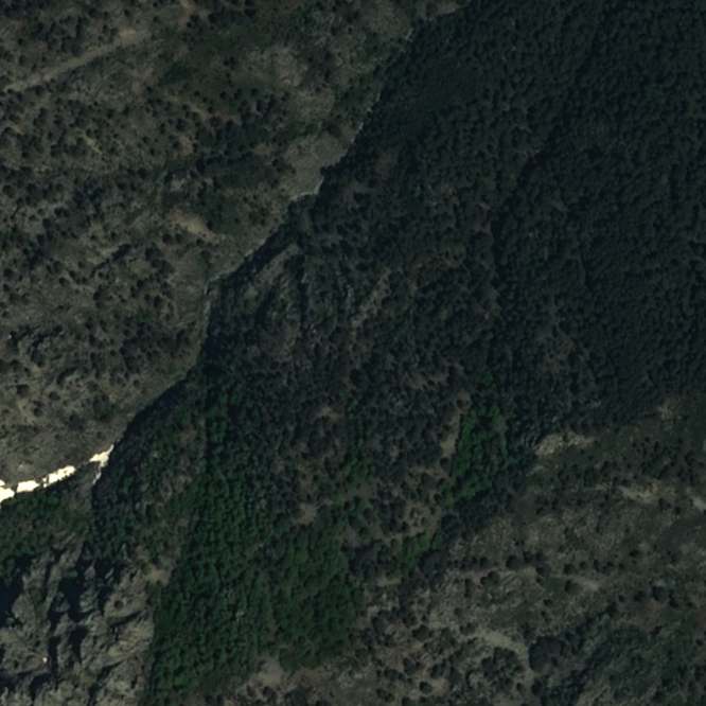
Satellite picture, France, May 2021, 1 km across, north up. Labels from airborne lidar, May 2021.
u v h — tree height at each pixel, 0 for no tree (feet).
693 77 91
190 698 40
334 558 71
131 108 63
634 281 78
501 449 56
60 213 58
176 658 82
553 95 86
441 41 60
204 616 31
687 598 24
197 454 23
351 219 78
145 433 19
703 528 0
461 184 86
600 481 61
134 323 108
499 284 113
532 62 93
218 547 75
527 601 24
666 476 75
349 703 0
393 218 22
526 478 35
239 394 63
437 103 21
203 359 32
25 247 57
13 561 34
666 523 0
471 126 82
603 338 115
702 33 116
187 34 29
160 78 22
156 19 52
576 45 97
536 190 108
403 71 66
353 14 18
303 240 85
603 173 103
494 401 73
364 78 48
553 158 125
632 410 70
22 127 0
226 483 78
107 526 31
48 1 71
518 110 94
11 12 88
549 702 62
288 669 41
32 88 25
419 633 77
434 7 58
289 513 40
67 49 72
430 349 69
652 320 58
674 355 97
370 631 61
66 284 84
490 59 20
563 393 74
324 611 77
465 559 35
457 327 78
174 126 73
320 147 0
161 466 31
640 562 53
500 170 95
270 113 99
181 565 47
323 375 93
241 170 24
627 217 86
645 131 59
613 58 93
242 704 24
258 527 33
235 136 123
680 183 117
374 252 26
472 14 75
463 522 24
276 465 46
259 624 42
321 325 50
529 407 83
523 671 84
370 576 63
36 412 53
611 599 33
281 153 19
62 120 57
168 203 22
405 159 31
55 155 81
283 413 55
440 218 101
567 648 98
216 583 71
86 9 27
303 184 0
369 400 88
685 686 72
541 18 76
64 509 28
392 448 43
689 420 83
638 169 103
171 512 48
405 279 89
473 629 73
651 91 102
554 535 0
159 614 41
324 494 50
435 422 87
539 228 27
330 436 61
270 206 32
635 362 93
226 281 52
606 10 47
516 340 95
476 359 119
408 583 40
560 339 63
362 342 59
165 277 60
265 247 31
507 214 58
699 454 71
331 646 18
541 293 69
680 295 104
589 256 96
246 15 95
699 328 82
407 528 64
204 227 0
